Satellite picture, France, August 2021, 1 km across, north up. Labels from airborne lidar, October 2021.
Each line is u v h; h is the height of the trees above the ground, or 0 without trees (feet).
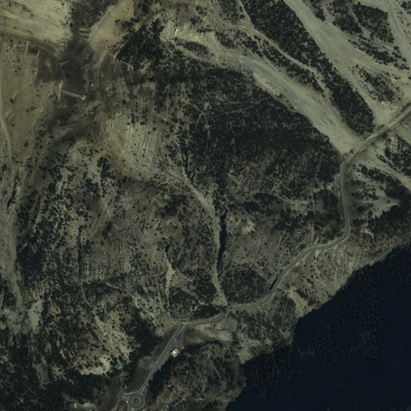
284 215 23
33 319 0
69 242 0
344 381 36
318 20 0
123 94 0
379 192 0
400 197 31
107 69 0
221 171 29
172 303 23
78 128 0
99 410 0
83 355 18
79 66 0
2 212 0
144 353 29
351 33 24
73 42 0
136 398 0
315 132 22
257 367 35
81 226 24
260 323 27
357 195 22
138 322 30
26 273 31
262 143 19
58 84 0
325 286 0
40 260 31
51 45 0
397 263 18
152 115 0
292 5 0
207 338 0
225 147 19
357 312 57
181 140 19
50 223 25
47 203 49
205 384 0
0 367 31
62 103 0
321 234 0
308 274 0
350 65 0
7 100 0
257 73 0
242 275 21
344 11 19
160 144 0
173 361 35
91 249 26
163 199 29
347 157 0
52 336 27
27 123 0
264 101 22
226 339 0
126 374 0
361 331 43
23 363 23
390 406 34
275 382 44
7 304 26
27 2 0
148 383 0
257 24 25
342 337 24
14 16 0
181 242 0
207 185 20
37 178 0
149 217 0
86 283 33
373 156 0
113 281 24
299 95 0
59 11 0
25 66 0
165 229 0
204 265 25
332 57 0
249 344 0
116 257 40
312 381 26
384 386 27
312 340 29
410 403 35
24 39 0
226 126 19
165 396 0
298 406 34
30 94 0
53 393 30
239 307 0
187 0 0
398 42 0
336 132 0
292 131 19
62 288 22
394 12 0
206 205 0
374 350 77
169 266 0
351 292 25
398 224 26
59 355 20
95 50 0
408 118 0
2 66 0
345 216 0
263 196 23
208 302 24
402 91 0
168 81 28
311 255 0
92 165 0
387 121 0
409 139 0
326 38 0
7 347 26
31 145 0
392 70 0
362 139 0
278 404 52
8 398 28
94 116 0
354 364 60
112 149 0
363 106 19
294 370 45
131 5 0
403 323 65
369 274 20
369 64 0
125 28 0
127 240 34
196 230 22
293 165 24
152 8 0
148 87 0
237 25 0
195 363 22
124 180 35
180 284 0
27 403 31
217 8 0
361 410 26
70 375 30
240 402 19
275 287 0
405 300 32
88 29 0
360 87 0
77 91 0
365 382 28
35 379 23
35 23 0
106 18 0
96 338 29
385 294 42
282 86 0
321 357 32
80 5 0
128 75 0
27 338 24
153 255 0
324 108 0
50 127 0
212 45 0
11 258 0
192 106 28
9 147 0
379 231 21
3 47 0
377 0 0
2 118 0
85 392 30
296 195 17
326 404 18
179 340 0
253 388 20
